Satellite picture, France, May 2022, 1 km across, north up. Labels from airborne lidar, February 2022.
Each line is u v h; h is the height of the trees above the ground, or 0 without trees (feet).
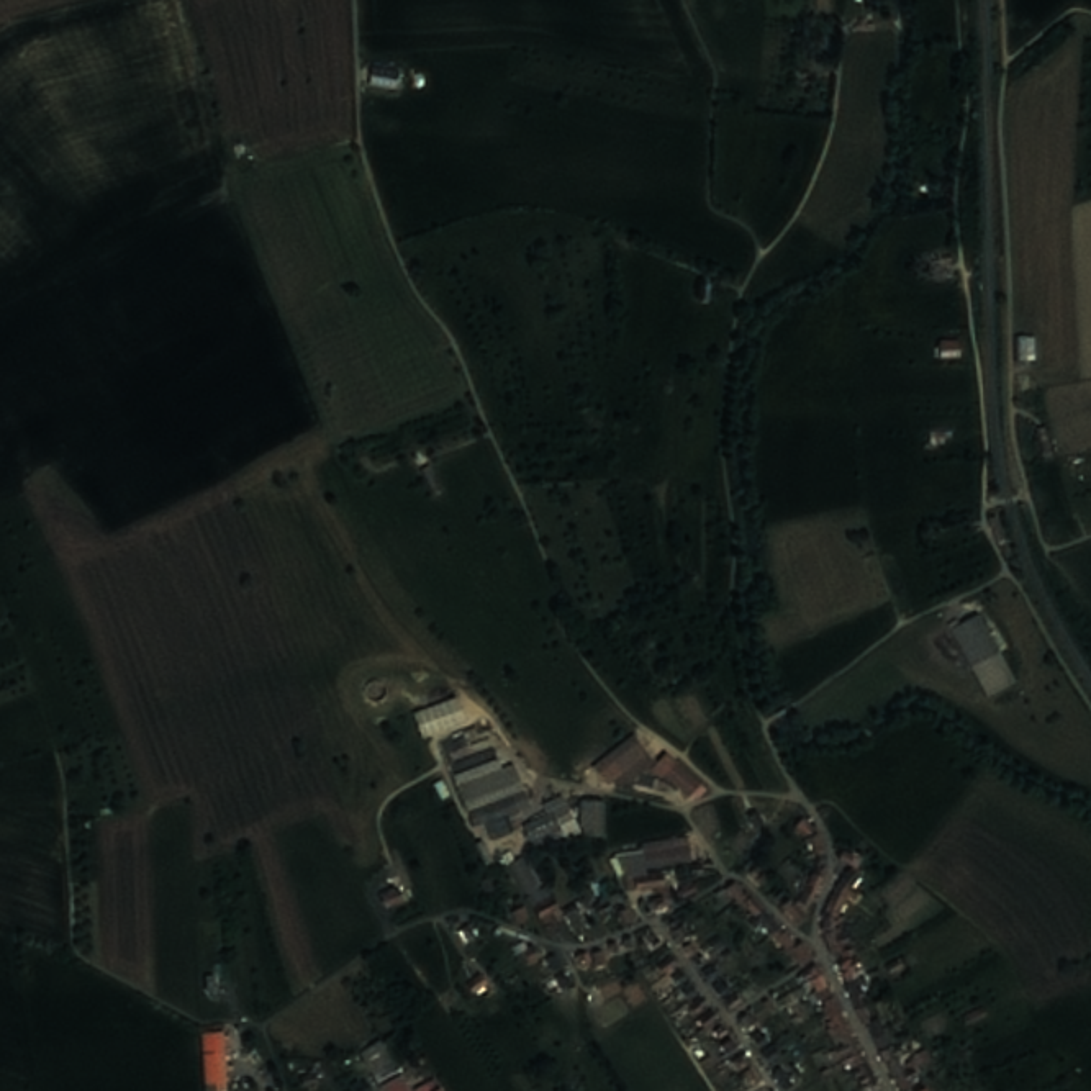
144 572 0
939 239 0
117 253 0
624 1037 0
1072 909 0
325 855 0
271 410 0
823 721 0
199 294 0
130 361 0
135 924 0
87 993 0
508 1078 0
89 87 0
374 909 0
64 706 0
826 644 0
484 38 0
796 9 0
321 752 0
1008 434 0
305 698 0
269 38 0
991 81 0
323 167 0
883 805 0
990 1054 0
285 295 0
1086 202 0
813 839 0
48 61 0
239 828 0
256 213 0
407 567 0
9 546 0
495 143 0
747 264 0
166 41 0
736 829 0
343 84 0
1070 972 41
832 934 0
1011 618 0
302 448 0
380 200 0
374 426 0
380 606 0
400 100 0
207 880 0
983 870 0
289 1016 0
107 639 0
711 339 0
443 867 0
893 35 0
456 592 0
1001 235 0
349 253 0
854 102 0
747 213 0
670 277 0
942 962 0
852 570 0
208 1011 0
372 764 0
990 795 0
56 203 0
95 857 0
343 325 0
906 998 0
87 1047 0
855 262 60
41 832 0
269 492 0
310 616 0
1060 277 0
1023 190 0
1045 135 0
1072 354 0
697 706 0
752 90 0
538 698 0
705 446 0
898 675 0
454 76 0
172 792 0
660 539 0
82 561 0
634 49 0
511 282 0
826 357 0
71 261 0
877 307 0
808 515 0
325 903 0
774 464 0
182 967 0
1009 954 0
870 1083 0
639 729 0
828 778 0
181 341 0
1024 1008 0
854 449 0
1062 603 27
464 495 0
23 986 0
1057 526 0
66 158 0
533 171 0
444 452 0
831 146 0
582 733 0
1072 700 0
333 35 0
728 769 0
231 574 0
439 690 0
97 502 0
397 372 0
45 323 0
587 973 0
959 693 0
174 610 0
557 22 0
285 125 0
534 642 0
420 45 0
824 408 0
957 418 0
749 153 0
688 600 0
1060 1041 0
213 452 0
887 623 0
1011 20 0
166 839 0
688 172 0
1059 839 0
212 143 0
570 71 0
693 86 0
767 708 58
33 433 0
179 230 0
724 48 0
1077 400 0
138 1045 0
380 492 0
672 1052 0
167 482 0
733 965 0
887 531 0
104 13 0
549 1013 0
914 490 0
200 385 0
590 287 25
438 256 0
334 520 0
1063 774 0
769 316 64
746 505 47
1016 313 0
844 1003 0
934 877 0
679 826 0
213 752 0
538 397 0
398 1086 0
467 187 0
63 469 0
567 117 0
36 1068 0
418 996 31
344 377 0
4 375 0
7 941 0
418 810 0
